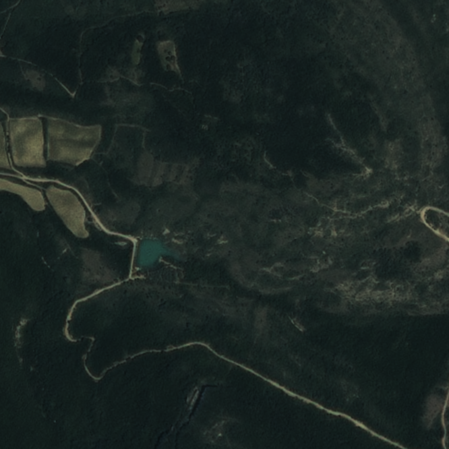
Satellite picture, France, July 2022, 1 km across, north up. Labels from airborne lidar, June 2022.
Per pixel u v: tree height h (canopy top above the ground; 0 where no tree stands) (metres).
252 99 7
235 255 0
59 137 0
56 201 0
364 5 0
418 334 7
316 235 0
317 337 12
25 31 8
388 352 6
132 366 10
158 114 6
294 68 9
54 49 11
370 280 0
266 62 6
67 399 7
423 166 0
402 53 0
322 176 7
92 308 7
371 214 9
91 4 6
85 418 7
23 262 12
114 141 0
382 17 0
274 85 7
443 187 0
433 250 0
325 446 15
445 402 0
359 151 5
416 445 7
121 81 6
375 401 8
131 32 7
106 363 11
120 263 10
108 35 7
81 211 0
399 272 6
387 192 6
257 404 9
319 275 0
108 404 8
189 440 6
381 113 0
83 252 0
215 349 6
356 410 6
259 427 9
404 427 9
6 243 11
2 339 9
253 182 6
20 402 12
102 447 9
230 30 10
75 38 10
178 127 6
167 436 6
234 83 6
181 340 7
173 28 8
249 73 8
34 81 0
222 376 7
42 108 6
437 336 8
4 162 0
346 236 0
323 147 8
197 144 6
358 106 8
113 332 9
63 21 7
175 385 13
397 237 0
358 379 6
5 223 8
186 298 8
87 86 9
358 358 12
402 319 8
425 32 0
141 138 9
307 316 6
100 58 8
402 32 0
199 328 8
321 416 6
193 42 9
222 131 12
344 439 10
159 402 11
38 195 0
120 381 9
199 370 8
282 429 10
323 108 7
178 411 10
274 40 9
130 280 7
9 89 6
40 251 8
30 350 12
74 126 0
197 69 6
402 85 0
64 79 12
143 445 12
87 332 10
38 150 0
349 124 8
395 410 6
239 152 7
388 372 6
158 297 7
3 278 10
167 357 8
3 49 8
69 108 8
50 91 7
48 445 7
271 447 6
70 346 8
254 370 6
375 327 8
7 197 7
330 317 7
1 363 9
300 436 11
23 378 11
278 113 9
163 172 0
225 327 8
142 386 9
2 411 11
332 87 6
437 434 6
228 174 7
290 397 8
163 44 0
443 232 0
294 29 7
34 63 11
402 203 6
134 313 7
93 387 9
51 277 11
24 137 0
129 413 8
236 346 9
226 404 7
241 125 14
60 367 9
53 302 9
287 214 5
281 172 6
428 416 0
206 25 9
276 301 6
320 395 12
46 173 7
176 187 0
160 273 10
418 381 6
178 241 0
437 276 0
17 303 7
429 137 0
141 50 8
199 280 13
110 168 8
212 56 7
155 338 6
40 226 12
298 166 10
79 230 0
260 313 0
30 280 9
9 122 0
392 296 0
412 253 6
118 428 11
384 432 6
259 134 9
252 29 9
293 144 8
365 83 8
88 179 7
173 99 6
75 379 9
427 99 0
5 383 8
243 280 0
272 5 9
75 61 9
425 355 5
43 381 9
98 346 9
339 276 0
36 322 13
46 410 13
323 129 7
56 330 6
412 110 0
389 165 0
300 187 6
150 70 11
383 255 6
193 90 9
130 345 10
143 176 0
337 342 7
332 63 6
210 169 6
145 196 6
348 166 7
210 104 6
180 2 0
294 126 10
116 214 0
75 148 0
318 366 6
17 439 10
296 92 9
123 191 9
